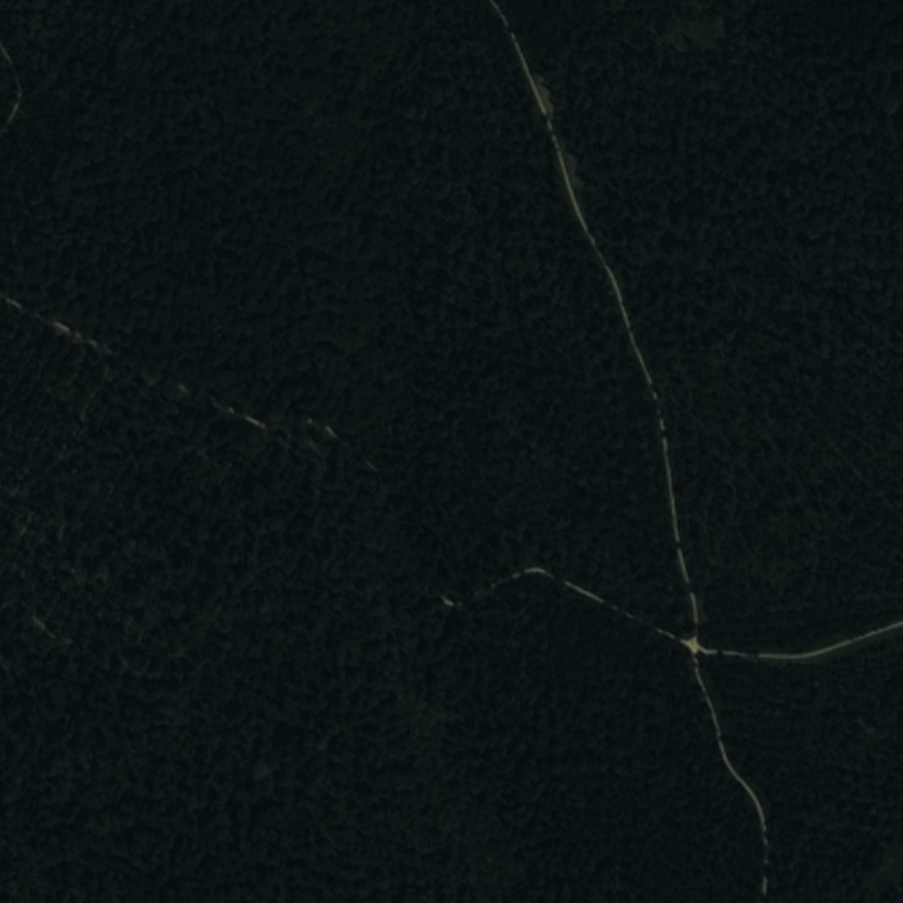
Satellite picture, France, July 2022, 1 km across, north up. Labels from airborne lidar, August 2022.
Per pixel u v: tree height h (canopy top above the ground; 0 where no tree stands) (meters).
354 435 28
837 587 8
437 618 25
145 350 21
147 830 22
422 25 10
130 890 22
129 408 7
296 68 24
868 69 27
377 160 23
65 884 22
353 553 23
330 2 20
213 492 6
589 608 10
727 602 8
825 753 20
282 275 22
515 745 18
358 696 23
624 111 7
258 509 19
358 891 20
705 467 6
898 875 0
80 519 22
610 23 13
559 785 11
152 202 24
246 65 26
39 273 25
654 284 8
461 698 13
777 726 7
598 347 23
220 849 28
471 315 22
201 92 25
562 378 8
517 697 18
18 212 12
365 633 8
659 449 8
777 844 24
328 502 14
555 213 9
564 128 7
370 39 25
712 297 27
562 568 17
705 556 6
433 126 22
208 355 21
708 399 7
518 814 28
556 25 11
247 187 18
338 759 6
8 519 9
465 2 8
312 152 24
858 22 19
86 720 29
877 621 9
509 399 22
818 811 21
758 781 23
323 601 6
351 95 31
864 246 20
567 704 22
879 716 24
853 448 7
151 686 23
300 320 22
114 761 25
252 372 21
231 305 18
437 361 20
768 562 7
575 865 15
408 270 8
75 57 19
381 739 25
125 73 18
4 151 12
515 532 25
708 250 16
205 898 23
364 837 22
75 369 22
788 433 6
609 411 7
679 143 25
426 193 8
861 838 8
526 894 16
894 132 31
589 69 24
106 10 6
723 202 25
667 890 9
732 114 7
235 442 24
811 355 22
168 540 8
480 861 19
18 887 26
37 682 8
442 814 24
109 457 23
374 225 29
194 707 23
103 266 19
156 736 22
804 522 19
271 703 23
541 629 12
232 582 30
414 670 23
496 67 10
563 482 22
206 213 21
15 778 13
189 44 22
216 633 6
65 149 23
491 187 28
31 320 12
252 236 24
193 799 21
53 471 25
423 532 29
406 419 22
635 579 17
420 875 24
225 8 24
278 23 25
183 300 22
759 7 24
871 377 22
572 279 7
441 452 22
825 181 24
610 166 30
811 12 18
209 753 20
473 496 10
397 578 20
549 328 20
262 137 21
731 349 20
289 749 22
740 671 8
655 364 13
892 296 22
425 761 25
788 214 26
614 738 20
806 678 7
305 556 18
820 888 21
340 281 23
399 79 8
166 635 22
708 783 19
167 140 20
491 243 25
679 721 21
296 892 27
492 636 6
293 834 25
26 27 21
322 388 21
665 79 22
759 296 8
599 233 15
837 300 24
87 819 21
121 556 26
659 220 21
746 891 11
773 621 8
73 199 26
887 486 7
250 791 25
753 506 22
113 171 22
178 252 25
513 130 23
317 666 9
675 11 16
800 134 31
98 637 7
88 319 27
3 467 10
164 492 11
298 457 24
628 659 14
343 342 23
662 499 7
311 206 24
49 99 8
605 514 25
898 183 34
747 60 32
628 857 9
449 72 8
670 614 9
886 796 18
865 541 7
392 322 27
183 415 26
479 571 25
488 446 9
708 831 18
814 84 35
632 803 14
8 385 20
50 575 7
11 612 9
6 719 19
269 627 23
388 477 27
